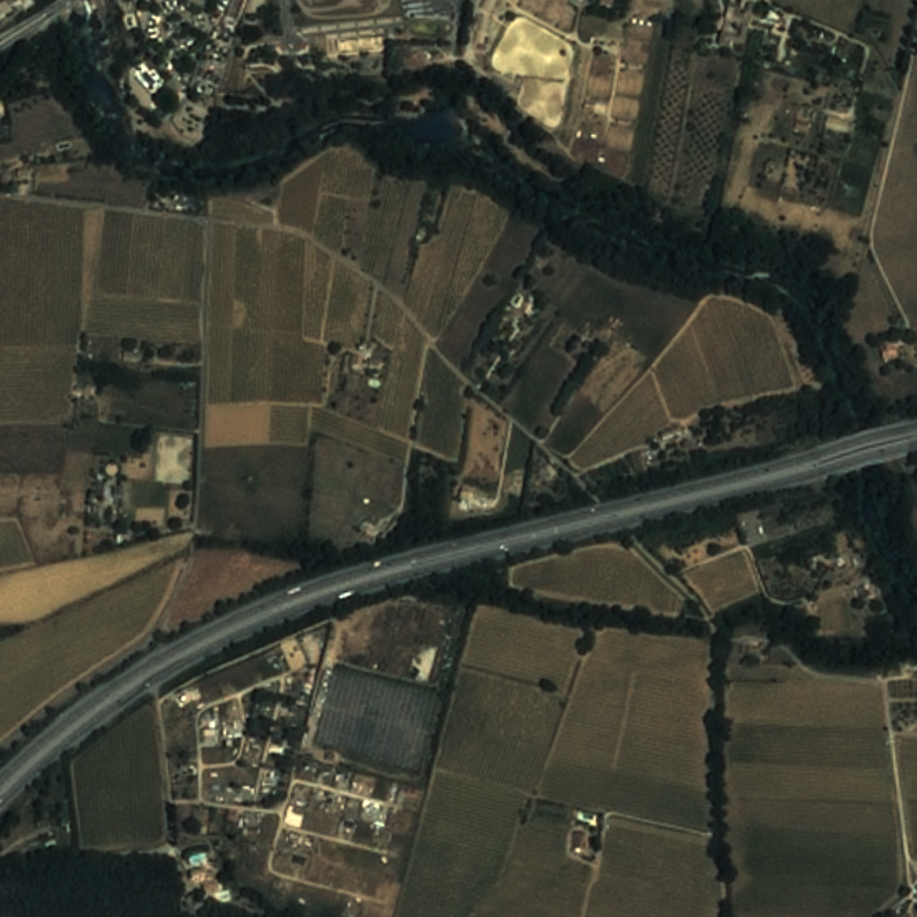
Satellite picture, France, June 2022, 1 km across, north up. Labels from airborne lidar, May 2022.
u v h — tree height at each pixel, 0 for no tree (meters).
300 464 0
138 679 0
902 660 7
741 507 15
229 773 0
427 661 0
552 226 16
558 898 0
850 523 12
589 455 0
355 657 0
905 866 0
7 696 0
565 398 13
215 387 0
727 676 10
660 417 0
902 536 14
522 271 19
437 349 0
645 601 0
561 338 0
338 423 0
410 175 11
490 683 0
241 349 0
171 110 15
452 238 0
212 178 7
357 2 0
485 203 0
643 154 0
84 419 6
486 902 0
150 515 0
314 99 22
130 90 10
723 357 0
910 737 0
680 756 0
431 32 0
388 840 0
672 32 15
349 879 0
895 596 13
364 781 0
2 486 0
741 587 0
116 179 0
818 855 0
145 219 0
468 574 11
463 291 0
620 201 20
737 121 6
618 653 0
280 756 15
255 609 0
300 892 0
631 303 0
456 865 0
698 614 6
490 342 8
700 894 0
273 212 0
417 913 0
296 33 0
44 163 8
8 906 7
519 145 23
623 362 0
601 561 0
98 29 0
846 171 0
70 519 0
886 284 0
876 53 0
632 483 9
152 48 10
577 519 0
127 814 0
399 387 0
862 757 0
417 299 0
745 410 8
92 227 0
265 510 0
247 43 12
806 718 0
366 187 0
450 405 0
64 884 8
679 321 0
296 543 6
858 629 0
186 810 0
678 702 0
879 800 0
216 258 0
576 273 0
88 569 0
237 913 7
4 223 0
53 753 0
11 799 0
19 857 16
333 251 0
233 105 22
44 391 0
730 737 14
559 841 0
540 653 0
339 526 0
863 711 0
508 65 0
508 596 14
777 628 7
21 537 0
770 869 0
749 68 7
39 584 0
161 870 6
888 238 0
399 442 0
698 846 0
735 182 0
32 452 0
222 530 0
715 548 12
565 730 0
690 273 20
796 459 0
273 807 9
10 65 21
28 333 0
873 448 0
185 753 8
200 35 10
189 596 0
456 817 0
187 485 10
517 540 0
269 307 0
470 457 0
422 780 0
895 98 0
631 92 0
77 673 0
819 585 8
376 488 0
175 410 0
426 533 10
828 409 19
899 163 0
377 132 18
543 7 0
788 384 0
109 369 10
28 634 0
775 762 0
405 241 0
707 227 14
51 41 11
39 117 0
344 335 0
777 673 0
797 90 0
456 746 0
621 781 0
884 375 13
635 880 0
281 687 0
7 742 0
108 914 5
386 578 0
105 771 0
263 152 34
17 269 0
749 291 24
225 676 0
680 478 6
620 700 0
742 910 0
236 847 0
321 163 0
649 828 0
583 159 0
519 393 0
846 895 0
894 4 0
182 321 0
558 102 0
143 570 0
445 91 26
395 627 0
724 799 15
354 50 0
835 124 0
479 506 0
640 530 10
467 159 16
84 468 0
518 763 0
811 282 8
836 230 0
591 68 0
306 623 9
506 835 0
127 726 0
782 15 6
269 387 0
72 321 0
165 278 0
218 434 0
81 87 15
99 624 0
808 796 0
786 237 14
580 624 12
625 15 7
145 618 0
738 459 11
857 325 0
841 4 0
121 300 0
